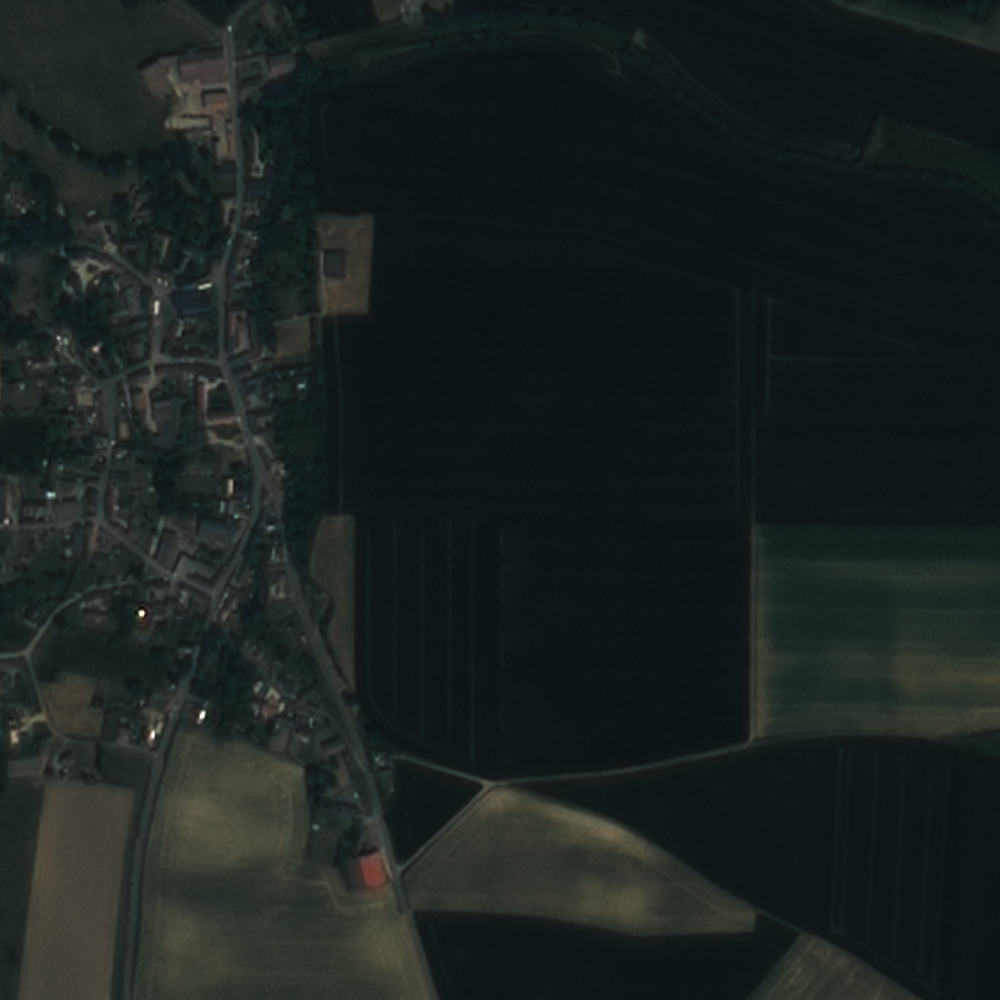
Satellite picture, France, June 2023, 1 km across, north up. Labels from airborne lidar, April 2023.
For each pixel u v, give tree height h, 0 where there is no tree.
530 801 0
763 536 0
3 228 18
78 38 0
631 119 0
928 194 0
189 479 0
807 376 0
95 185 0
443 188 0
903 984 0
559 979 0
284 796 0
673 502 0
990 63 0
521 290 0
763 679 0
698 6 0
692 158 0
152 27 0
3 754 0
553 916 0
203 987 0
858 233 0
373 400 0
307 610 0
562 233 0
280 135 21
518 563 0
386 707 0
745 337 0
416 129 0
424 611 0
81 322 7
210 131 0
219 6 0
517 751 0
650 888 0
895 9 0
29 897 0
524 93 0
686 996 0
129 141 0
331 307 0
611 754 0
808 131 0
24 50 0
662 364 0
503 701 0
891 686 0
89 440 11
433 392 0
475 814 0
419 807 0
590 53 0
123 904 0
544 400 0
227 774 0
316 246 8
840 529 0
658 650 0
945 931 0
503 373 0
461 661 0
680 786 0
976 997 0
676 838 0
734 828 0
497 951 0
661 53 0
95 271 0
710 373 0
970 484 0
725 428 0
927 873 0
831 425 0
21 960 0
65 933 0
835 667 0
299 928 0
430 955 0
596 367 0
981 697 0
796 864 0
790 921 0
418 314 0
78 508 0
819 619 0
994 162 0
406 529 0
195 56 0
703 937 0
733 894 0
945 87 0
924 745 0
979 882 0
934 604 0
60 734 0
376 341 0
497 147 0
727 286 0
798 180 0
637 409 0
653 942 0
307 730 0
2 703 0
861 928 0
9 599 9
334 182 0
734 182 0
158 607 0
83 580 0
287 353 0
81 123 0
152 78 0
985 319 0
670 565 0
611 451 0
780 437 0
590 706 0
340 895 0
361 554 0
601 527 0
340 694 0
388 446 0
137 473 0
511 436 0
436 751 0
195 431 0
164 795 0
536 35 0
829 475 0
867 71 0
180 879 0
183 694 0
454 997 0
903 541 0
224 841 0
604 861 0
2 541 0
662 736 0
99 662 0
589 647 0
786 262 0
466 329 0
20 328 12
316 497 6
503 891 0
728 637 0
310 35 8
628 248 0
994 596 0
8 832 0
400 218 0
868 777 0
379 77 0
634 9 0
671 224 0
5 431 0
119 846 0
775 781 0
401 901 0
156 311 0
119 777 0
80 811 0
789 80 0
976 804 0
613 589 0
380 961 0
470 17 18
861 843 0
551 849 0
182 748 0
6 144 10
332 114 0
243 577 0
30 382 0
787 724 0
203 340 9
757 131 0
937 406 0
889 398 0
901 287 0
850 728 0
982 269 0
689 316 0
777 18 0
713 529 0
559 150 0
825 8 0
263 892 0
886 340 0
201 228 8
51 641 0
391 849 0
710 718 0
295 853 0
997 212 0
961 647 0
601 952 0
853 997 0
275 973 0
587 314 0
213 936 0
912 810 0
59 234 20
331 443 0
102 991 0
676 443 0
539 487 0
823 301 0
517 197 0
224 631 15
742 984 0
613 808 0
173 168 0
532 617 0
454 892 0
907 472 0
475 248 0
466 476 0
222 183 0
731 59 0
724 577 0
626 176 0
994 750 0
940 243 0
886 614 0
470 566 0
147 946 0
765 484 0
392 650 0
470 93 0
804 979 0
